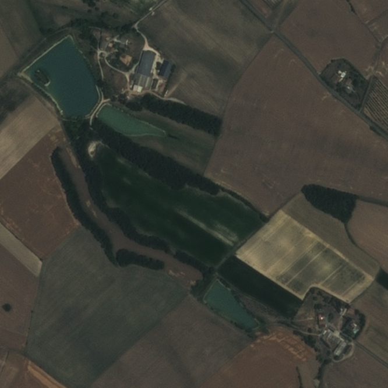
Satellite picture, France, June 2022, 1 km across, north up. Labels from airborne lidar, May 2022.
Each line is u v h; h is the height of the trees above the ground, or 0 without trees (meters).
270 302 0
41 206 0
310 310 0
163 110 16
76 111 0
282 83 0
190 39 0
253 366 0
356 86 8
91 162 12
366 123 0
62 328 0
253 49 0
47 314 0
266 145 0
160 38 0
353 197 12
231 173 0
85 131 12
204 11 0
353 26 0
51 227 0
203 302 0
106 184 0
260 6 0
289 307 0
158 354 0
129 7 0
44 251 0
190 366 0
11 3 0
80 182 0
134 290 0
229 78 0
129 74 0
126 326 0
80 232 0
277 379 0
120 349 0
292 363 0
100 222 0
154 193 0
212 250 0
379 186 0
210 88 0
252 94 0
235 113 0
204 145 0
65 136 0
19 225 0
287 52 0
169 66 0
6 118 0
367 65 0
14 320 0
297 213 0
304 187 12
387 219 0
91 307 0
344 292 0
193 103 0
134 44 0
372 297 0
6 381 0
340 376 0
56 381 0
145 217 0
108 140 15
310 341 11
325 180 0
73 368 0
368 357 0
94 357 0
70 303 0
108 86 6
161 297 0
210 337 0
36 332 0
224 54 0
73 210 16
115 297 0
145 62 0
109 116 0
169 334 0
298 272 0
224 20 0
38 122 0
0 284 0
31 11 0
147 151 17
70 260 0
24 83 0
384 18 0
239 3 0
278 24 0
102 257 0
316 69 0
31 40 0
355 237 0
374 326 0
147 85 0
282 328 0
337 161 0
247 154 0
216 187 17
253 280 0
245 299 0
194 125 14
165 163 20
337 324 0
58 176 13
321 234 0
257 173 0
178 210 0
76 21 12
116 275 0
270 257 0
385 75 0
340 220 12
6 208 0
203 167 0
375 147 0
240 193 0
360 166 0
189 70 0
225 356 0
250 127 0
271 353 0
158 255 0
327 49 0
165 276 0
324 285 0
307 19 0
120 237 0
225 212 0
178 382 0
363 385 0
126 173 0
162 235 0
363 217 0
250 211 0
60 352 0
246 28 0
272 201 0
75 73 0
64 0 0
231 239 0
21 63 0
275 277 0
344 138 0
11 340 0
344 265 0
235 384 0
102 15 10
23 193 0
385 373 0
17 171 0
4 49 0
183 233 0
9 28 0
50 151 0
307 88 0
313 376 0
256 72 0
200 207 0
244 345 0
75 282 0
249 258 0
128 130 0
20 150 0
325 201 11
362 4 0
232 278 0
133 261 13
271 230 0
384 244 0
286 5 0
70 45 0
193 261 15
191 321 0
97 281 0
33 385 0
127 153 14
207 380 0
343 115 0
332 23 0
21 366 0
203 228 0
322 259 0
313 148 0
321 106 0
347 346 7
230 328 0
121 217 16
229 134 0
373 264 0
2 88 0
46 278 0
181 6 0
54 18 0
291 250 0
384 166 0
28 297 0
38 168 0
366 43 0
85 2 15
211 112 0
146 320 0
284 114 0
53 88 0
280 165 0
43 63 0
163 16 0
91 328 0
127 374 0
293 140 0
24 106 0
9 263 0
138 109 14
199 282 12
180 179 19
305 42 0
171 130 0
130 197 0
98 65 6
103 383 0
